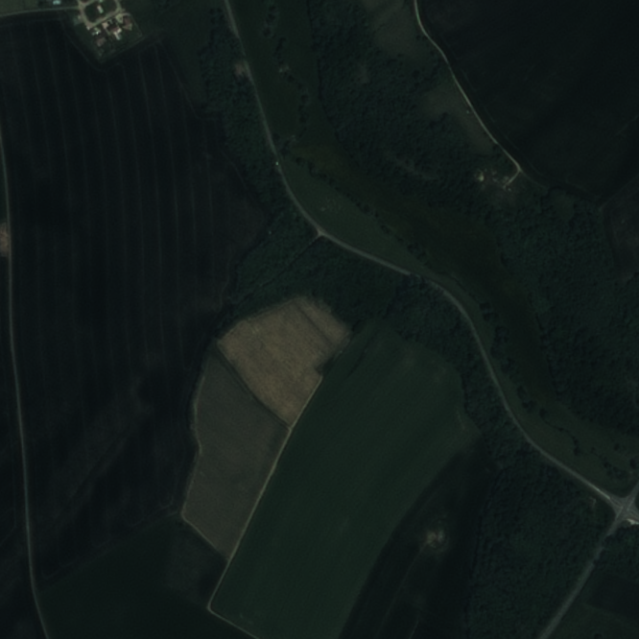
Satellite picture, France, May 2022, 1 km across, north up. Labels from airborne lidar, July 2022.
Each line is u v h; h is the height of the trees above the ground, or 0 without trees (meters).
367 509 0
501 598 22
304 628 0
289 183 0
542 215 9
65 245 0
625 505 0
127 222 0
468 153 11
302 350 0
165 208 0
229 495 0
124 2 0
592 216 20
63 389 0
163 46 0
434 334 21
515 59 0
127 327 0
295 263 20
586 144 0
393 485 0
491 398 26
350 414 0
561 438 0
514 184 0
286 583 0
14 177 0
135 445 0
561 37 0
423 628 0
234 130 16
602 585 0
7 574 0
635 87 0
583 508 19
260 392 0
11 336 0
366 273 7
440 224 0
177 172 0
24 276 0
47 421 0
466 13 0
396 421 0
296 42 0
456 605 0
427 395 0
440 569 0
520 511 20
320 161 0
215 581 0
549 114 0
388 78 15
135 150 0
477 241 0
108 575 0
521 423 0
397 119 8
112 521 0
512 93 0
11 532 0
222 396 0
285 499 0
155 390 0
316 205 0
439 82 13
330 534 0
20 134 0
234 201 0
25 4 0
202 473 0
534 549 19
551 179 0
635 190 0
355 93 8
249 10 0
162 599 0
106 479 0
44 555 0
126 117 0
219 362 0
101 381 0
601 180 0
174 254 0
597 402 10
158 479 0
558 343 20
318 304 0
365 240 0
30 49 0
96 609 0
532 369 0
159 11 7
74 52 0
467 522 0
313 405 0
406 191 12
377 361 0
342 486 0
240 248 0
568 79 0
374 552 0
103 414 0
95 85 0
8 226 0
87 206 0
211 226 0
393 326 15
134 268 0
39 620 0
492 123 0
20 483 0
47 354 0
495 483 9
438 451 0
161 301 0
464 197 17
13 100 0
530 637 15
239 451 0
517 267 25
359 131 11
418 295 21
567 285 7
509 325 0
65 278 0
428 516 0
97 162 0
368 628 0
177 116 0
